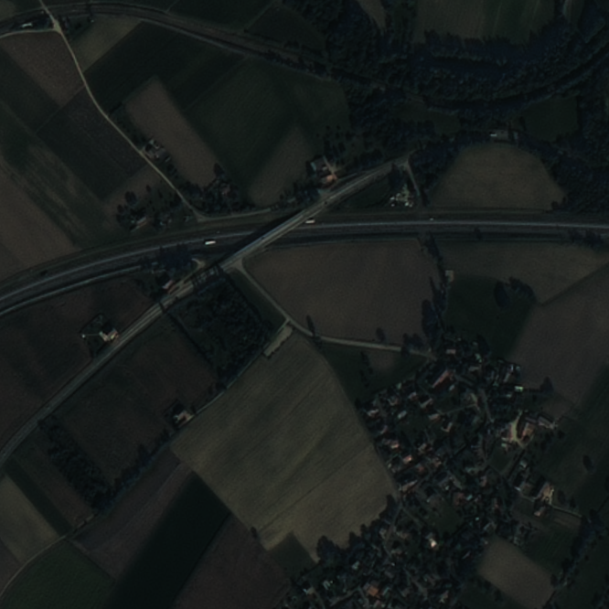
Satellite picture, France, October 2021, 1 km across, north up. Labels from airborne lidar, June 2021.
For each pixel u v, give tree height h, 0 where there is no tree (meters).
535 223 0
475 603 0
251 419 0
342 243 0
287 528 0
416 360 0
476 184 0
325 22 23
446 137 0
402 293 0
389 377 0
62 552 0
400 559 7
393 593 7
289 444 0
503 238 0
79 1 0
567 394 0
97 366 0
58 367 0
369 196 0
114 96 0
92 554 0
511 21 0
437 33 0
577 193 19
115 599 0
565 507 16
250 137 0
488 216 0
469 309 0
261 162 0
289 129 0
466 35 0
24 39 0
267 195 0
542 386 0
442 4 0
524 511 0
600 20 20
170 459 0
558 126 0
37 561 0
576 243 12
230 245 0
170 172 6
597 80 34
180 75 0
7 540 0
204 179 0
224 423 0
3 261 0
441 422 0
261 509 0
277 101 0
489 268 0
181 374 0
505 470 0
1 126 0
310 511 0
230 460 0
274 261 0
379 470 0
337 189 0
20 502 0
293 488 0
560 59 18
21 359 0
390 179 0
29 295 0
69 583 0
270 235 0
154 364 0
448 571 12
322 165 0
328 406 0
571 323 0
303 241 0
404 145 16
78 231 0
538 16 0
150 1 0
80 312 0
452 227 0
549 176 0
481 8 0
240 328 11
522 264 0
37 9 0
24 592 0
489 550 0
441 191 0
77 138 0
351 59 12
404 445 9
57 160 0
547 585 0
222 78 0
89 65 0
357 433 0
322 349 12
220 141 0
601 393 0
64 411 0
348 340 0
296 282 0
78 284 0
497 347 0
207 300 9
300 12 17
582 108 13
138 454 0
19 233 0
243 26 0
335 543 0
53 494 0
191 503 0
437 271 0
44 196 0
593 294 0
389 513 6
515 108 19
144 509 0
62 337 0
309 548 0
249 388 0
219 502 0
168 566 0
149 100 0
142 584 0
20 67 0
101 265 0
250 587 0
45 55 0
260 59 0
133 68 0
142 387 0
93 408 0
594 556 0
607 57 12
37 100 0
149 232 0
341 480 0
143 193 0
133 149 0
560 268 0
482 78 18
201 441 0
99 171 0
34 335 0
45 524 0
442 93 16
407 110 0
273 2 0
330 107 0
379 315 0
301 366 0
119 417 0
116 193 0
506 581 0
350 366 0
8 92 0
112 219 0
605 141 26
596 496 0
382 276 0
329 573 10
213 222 0
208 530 0
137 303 0
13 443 0
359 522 0
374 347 0
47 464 0
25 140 0
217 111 0
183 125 0
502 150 0
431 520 8
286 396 0
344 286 0
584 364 0
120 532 0
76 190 0
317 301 0
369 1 0
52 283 0
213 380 0
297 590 10
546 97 11
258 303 0
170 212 6
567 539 0
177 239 0
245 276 0
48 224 0
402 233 0
